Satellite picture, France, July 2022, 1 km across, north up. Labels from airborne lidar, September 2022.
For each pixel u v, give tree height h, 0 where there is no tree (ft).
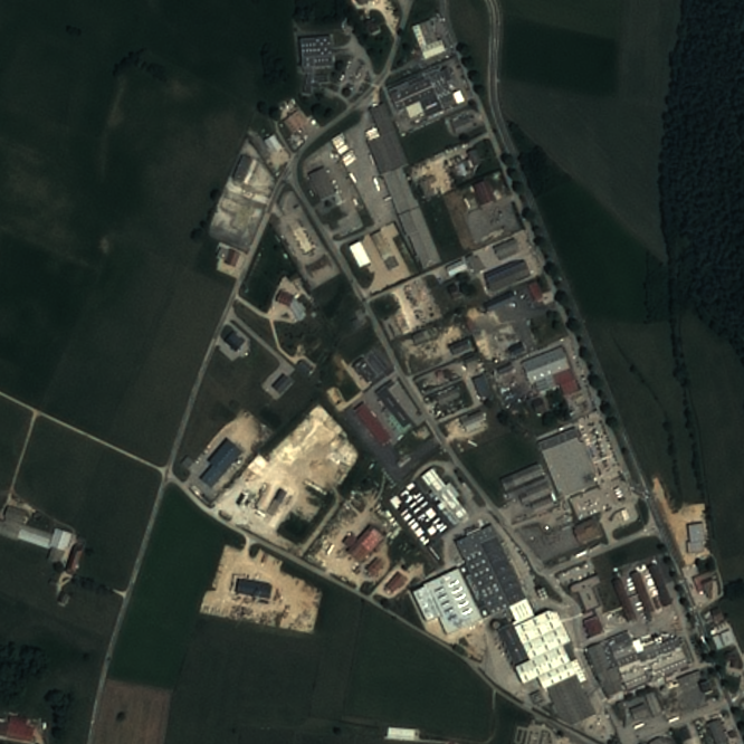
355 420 0
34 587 0
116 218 0
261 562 0
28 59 0
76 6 0
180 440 0
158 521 0
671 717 0
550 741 0
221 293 0
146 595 0
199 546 0
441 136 0
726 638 0
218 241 0
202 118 0
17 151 0
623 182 0
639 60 0
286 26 0
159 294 0
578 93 0
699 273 59
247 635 0
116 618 0
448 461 0
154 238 0
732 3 67
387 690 0
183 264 0
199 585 0
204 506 0
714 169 58
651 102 0
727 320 33
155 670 0
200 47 0
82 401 0
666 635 0
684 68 57
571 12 0
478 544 0
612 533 0
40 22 0
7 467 0
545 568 0
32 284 0
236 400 0
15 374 0
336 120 0
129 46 0
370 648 0
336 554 0
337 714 0
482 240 0
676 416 0
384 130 0
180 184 0
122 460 0
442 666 0
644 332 0
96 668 0
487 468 0
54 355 0
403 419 0
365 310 0
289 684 0
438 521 0
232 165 0
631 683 0
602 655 0
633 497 0
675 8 0
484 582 0
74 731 0
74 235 0
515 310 0
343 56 0
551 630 0
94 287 0
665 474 0
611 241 0
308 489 0
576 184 0
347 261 0
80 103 0
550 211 0
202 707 0
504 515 0
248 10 0
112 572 0
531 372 0
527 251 0
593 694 0
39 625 0
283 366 0
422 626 0
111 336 0
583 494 0
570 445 0
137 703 0
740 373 0
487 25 0
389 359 0
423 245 0
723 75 63
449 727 0
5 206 0
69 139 0
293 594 0
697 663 0
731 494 0
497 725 0
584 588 0
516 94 0
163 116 0
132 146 0
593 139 0
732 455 0
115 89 0
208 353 0
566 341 0
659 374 0
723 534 0
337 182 0
